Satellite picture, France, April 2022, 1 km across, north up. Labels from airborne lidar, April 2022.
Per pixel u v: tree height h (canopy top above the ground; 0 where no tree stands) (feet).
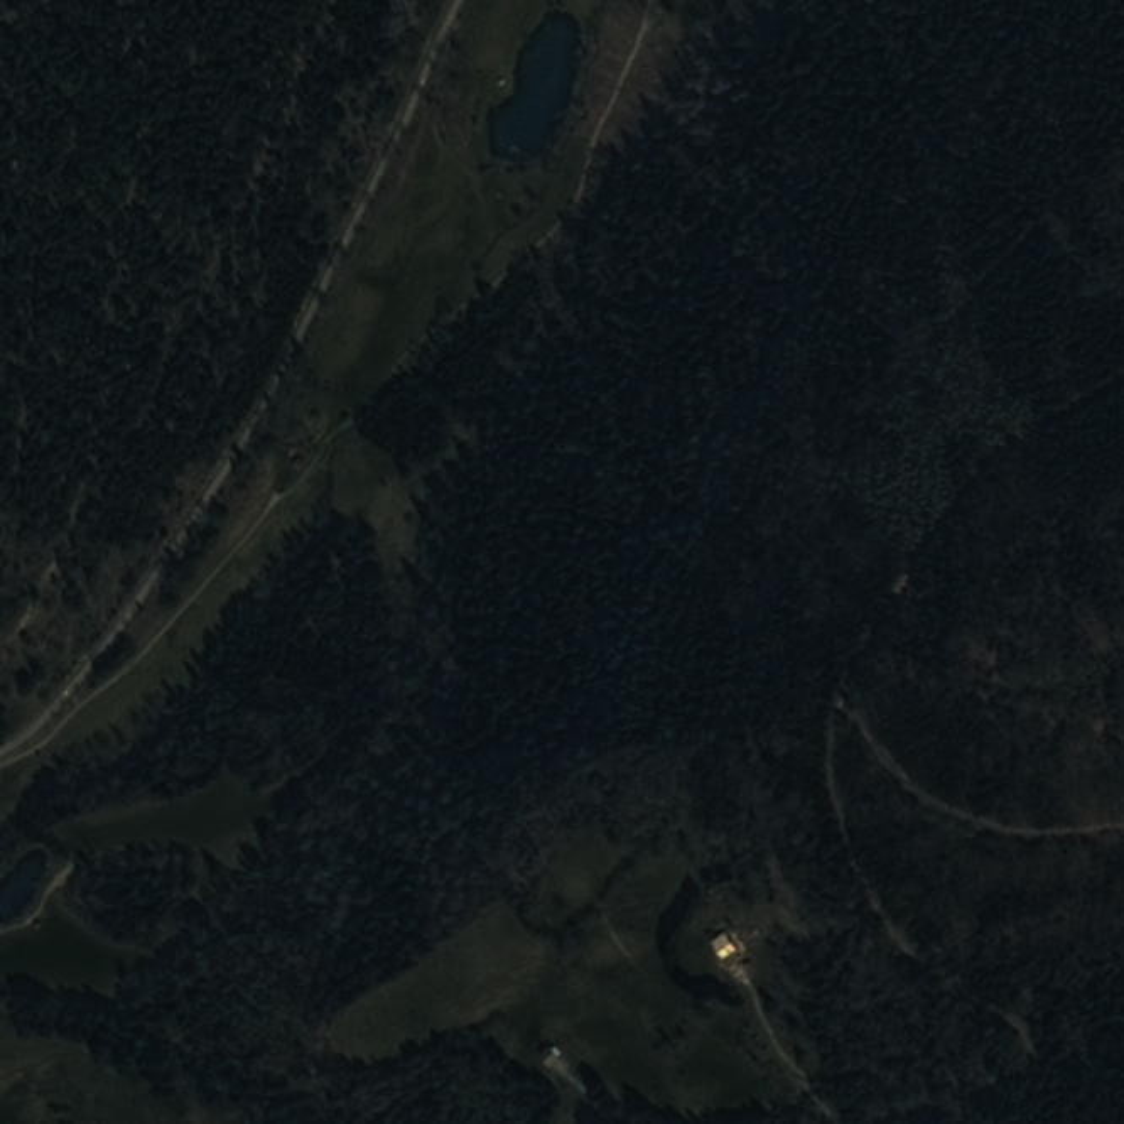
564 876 0
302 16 109
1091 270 66
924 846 47
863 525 48
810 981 77
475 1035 57
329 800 108
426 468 68
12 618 51
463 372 36
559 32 0
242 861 0
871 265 75
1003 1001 79
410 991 0
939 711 56
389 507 0
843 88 94
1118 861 38
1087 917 80
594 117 0
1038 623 53
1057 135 25
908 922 35
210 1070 45
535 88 0
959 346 49
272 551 0
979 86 83
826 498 49
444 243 0
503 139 0
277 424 83
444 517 19
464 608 75
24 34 78
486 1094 23
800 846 78
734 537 64
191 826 0
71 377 68
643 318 86
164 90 92
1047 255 89
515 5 0
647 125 0
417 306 0
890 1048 73
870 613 43
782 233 91
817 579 55
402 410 61
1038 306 83
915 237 92
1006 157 79
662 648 93
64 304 107
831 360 61
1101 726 43
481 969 0
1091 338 70
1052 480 75
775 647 62
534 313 35
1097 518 54
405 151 78
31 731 0
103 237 109
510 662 81
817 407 61
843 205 70
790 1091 55
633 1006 0
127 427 84
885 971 82
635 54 0
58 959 0
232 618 54
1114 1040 87
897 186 82
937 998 87
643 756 87
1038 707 54
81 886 32
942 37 81
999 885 48
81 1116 0
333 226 35
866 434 30
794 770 49
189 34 111
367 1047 0
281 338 65
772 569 43
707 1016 64
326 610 93
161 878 65
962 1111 65
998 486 56
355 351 0
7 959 0
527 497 82
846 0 83
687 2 0
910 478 65
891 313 28
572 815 93
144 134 74
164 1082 91
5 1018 0
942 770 31
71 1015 86
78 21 33
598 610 29
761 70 106
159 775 93
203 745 84
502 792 117
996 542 53
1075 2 83
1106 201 77
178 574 95
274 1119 73
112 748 69
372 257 0
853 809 39
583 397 79
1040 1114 66
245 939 42
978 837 26
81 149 78
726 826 75
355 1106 40
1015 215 85
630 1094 0
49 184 98
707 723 72
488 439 81
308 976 32
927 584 80
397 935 53
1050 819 42
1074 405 33
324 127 78
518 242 0
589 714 79
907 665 69
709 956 0
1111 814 48
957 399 55
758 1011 0
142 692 0
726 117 90
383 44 120
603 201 26
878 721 34
